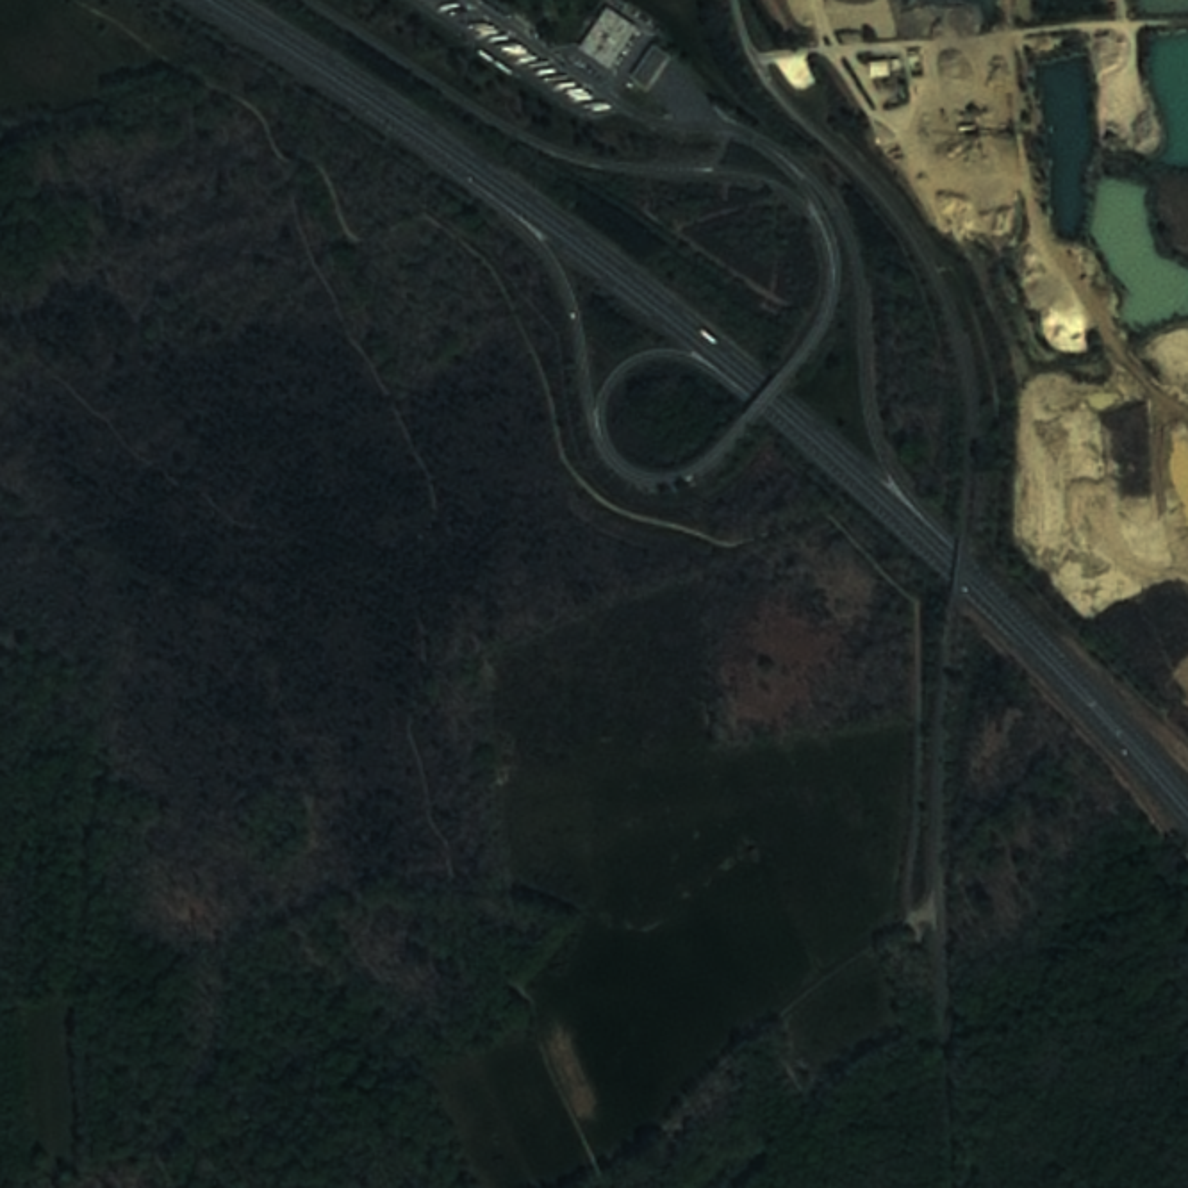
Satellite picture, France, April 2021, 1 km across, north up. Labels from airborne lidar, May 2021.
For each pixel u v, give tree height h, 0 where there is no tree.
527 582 7
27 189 21
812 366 6
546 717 0
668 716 0
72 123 13
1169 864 17
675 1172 21
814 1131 23
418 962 20
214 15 0
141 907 23
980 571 0
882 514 0
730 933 0
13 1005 20
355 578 11
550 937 20
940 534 0
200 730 6
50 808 27
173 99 13
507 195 0
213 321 8
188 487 10
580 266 0
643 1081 0
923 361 12
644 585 13
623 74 0
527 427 6
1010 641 0
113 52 0
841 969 0
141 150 13
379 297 12
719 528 9
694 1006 0
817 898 0
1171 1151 22
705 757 0
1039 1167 14
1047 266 0
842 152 0
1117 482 0
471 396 10
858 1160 20
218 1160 24
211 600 15
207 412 9
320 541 10
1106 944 27
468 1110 0
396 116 0
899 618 9
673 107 0
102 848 23
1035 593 7
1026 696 14
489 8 0
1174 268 0
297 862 20
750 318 8
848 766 0
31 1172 14
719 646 11
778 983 0
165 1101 18
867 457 0
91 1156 20
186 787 6
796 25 0
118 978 19
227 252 7
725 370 0
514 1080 0
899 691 8
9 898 21
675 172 0
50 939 23
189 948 17
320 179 16
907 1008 15
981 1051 22
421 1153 19
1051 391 0
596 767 0
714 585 9
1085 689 0
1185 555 0
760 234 7
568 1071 0
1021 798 14
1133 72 0
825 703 9
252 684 10
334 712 9
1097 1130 17
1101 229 0
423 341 12
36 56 0
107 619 10
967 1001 22
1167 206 0
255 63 10
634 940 0
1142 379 0
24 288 12
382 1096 16
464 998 20
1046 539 0
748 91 6
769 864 0
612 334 5
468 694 11
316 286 10
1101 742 0
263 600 8
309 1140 17
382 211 16
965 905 13
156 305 7
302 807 21
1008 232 0
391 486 11
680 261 8
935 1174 19
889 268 12
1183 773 0
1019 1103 22
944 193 0
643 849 0
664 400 10
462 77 24
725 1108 19
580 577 6
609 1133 0
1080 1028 21
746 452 8
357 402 10
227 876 10
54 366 12
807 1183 18
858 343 0
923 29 0
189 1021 23
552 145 0
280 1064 16
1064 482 0
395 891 19
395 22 7
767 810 0
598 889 0
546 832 0
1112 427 0
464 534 12
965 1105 20
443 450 10
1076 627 8
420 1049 21
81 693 16
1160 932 25
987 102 0
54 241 19
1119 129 0
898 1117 19
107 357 13
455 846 7
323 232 14
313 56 0
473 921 19
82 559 9
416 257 6
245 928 14
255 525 8
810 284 6
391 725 8
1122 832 18
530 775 0
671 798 0
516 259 12
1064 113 0
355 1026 14
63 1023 0
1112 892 23
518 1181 0
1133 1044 18
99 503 11
